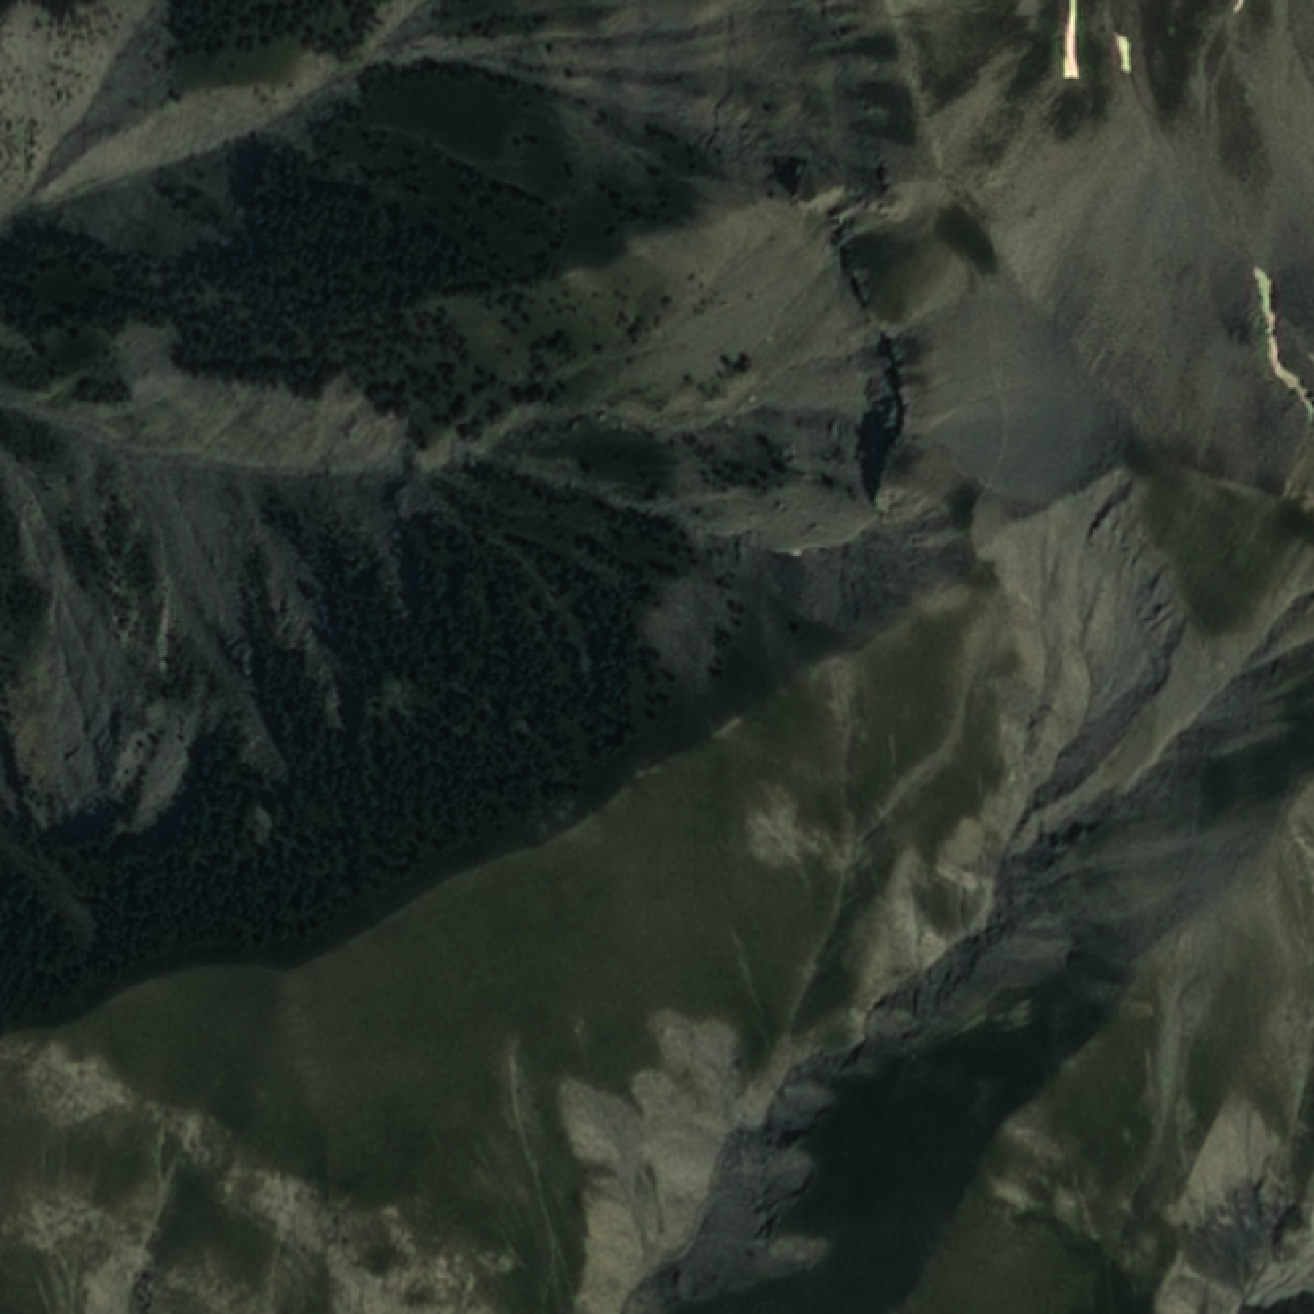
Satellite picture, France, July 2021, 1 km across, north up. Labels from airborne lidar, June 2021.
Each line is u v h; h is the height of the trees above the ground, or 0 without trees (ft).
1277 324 0
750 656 0
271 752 0
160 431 0
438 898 0
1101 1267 0
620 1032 0
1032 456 0
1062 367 0
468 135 0
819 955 0
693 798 0
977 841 0
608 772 0
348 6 33
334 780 67
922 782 0
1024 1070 0
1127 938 0
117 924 51
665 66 0
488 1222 0
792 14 0
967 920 0
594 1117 0
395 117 0
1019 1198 0
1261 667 0
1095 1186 0
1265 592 0
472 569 63
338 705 0
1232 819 0
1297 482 0
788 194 0
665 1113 0
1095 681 0
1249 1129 0
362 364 23
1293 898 0
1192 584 0
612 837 0
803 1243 0
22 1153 0
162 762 0
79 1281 0
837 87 0
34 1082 0
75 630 0
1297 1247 0
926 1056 0
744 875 0
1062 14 0
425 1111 0
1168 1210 0
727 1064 0
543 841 0
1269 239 0
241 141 0
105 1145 0
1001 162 0
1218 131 0
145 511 0
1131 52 0
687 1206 0
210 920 63
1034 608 0
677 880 0
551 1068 0
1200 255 0
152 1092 0
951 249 0
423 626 25
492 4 0
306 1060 0
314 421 0
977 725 0
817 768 0
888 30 0
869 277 0
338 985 0
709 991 0
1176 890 0
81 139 0
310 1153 0
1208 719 0
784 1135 0
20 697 0
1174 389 0
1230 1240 0
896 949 0
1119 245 0
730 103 0
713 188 0
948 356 0
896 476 0
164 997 0
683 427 0
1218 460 0
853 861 0
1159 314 0
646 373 0
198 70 0
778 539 0
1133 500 0
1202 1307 0
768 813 0
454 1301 0
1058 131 0
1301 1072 0
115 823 54
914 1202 0
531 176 0
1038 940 0
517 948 0
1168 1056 0
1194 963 0
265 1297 0
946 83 0
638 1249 0
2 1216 0
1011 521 0
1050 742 0
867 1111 0
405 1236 0
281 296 37
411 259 47
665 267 0
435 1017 0
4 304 21
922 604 0
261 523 0
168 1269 0
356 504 0
